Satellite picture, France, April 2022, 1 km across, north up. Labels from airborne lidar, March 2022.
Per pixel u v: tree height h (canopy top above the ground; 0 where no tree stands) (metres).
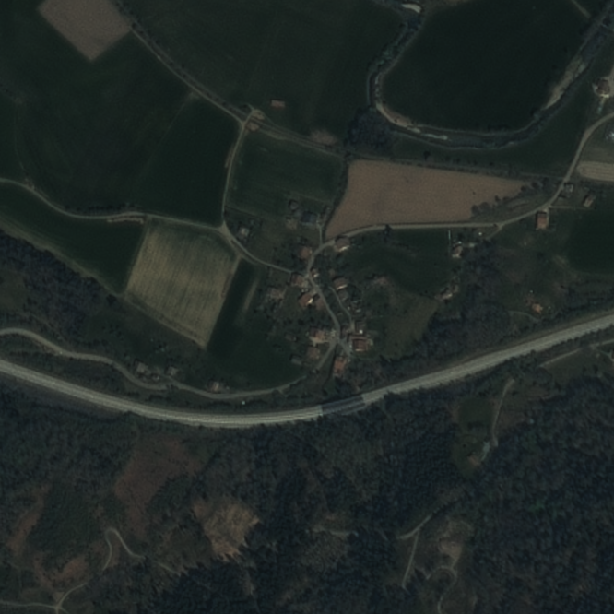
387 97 0
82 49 0
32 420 8
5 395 6
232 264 0
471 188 0
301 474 21
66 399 0
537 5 0
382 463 16
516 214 0
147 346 0
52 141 0
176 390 13
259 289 0
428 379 0
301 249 0
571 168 0
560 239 0
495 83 0
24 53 0
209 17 0
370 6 0
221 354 0
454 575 0
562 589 16
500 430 0
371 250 0
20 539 0
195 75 0
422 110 0
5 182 0
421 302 0
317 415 0
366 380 13
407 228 0
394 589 0
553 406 12
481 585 28
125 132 0
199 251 0
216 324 0
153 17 0
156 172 0
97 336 0
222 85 0
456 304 0
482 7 0
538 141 0
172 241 0
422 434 21
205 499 17
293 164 0
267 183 0
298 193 0
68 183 0
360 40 0
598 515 24
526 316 0
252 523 0
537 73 0
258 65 0
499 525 18
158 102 0
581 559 11
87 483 17
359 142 29
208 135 0
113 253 0
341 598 30
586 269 0
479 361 0
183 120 0
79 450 19
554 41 0
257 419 0
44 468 19
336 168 0
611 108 0
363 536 0
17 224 0
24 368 0
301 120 0
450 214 0
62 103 0
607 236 0
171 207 0
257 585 17
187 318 0
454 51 0
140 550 0
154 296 0
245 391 0
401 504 21
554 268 0
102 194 0
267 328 0
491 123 0
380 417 29
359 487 11
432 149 0
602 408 31
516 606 23
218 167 0
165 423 10
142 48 0
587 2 0
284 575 20
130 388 0
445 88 0
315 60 0
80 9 0
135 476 0
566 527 10
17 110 0
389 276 0
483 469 0
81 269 0
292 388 9
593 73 0
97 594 29
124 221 0
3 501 7
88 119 0
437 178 0
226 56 0
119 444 14
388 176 0
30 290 19
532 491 23
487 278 16
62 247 0
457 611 0
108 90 0
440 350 16
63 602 0
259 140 0
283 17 0
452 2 0
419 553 0
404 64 0
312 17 0
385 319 0
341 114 0
